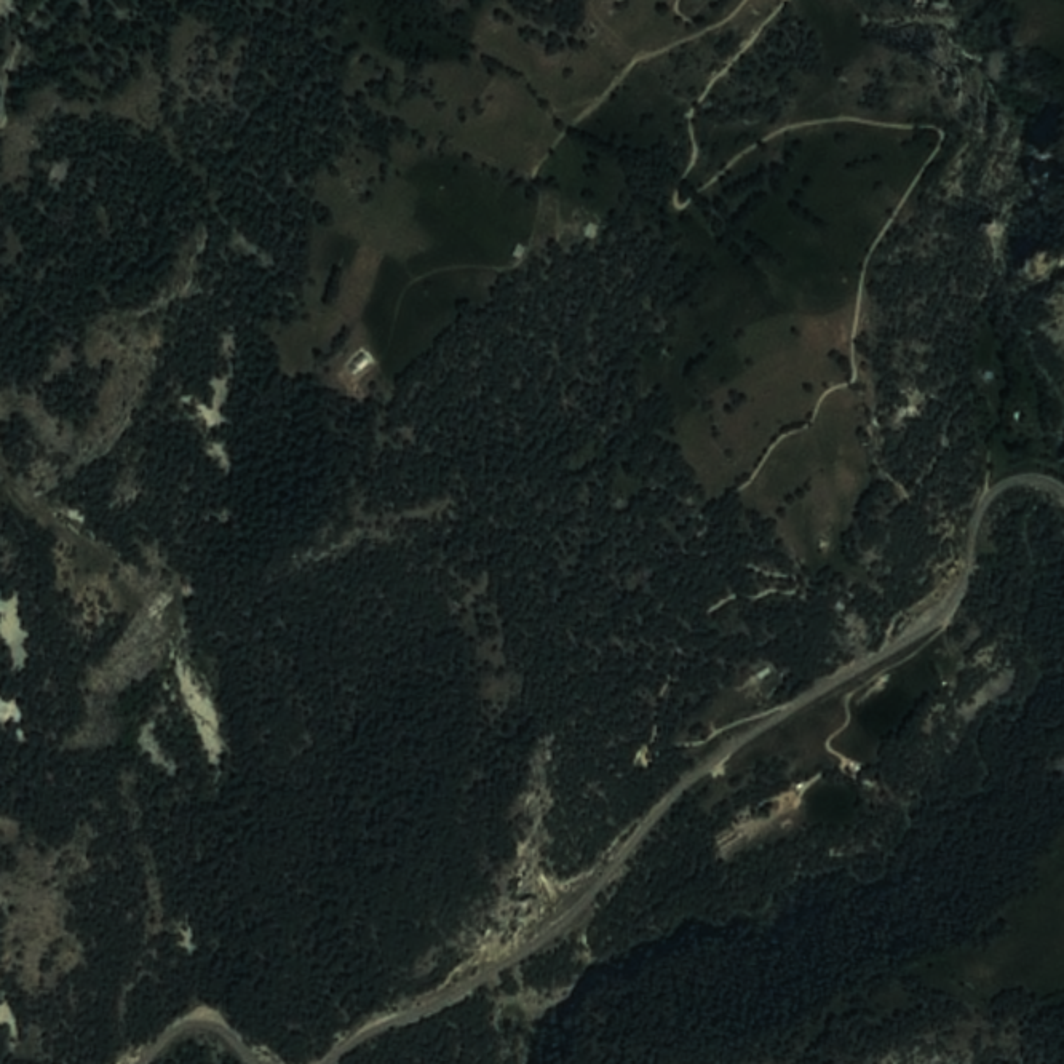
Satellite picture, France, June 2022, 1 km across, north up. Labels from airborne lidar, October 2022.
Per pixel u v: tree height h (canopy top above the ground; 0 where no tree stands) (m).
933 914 16
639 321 12
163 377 15
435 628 12
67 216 18
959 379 8
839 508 0
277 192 19
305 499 18
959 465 8
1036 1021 11
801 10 0
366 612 14
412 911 11
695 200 14
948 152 9
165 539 13
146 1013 11
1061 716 13
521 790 7
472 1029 9
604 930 7
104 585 0
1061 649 6
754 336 0
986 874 20
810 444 0
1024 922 0
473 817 11
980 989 0
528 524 14
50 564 8
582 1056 10
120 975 10
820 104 0
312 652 16
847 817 0
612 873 0
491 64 14
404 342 0
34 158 17
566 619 14
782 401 0
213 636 14
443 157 7
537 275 9
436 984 11
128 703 10
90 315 18
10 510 6
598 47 0
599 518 12
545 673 10
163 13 18
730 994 16
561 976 8
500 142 0
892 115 0
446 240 0
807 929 12
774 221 0
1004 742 15
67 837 12
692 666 13
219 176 23
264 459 27
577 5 18
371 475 12
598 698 11
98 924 11
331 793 11
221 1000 12
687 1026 15
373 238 0
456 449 13
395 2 11
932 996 9
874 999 7
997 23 6
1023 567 11
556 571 16
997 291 12
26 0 14
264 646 12
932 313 9
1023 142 16
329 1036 13
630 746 10
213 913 12
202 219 23
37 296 20
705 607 12
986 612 11
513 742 22
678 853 9
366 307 0
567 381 14
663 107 0
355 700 11
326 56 27
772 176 12
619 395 11
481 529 13
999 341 13
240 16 22
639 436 10
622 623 16
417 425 7
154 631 0
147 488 9
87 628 7
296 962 11
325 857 20
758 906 12
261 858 14
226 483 11
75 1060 8
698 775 0
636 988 16
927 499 16
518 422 12
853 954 18
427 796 11
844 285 0
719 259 0
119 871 8
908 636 0
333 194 0
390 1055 14
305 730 11
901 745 8
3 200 11
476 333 11
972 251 12
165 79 13
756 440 0
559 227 0
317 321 0
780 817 0
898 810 7
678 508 10
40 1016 9
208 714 0
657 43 0
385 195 0
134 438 14
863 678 0
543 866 9
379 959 8
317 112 20
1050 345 6
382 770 14
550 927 0
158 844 18
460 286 0
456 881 12
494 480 8
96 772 16
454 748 13
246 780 14
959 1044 0
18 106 15
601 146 19
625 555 13
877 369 7
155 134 10
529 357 11
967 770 12
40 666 14
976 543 0
